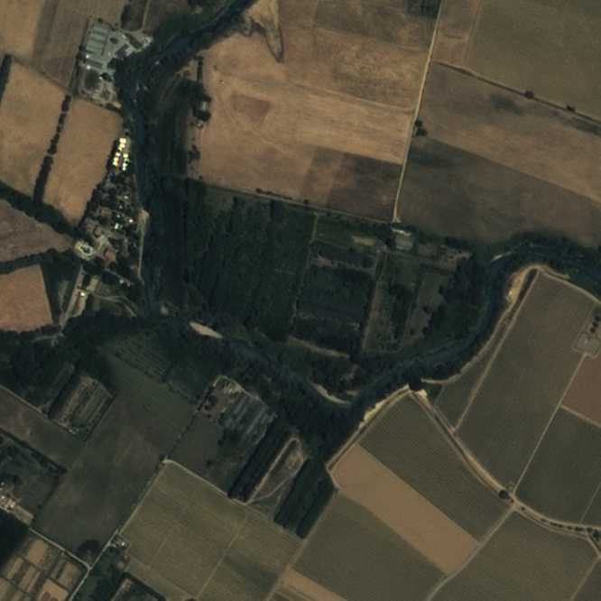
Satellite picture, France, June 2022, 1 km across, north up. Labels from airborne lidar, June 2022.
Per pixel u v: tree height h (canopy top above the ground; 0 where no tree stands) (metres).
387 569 0
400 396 0
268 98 0
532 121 0
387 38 0
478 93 0
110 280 20
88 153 0
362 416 12
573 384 0
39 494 0
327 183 0
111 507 0
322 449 14
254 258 8
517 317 0
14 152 0
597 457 0
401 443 0
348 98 0
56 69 0
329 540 0
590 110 0
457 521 0
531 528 0
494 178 0
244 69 0
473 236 0
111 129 0
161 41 7
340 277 21
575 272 7
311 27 0
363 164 0
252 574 0
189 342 24
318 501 11
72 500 0
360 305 7
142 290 23
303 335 18
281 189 0
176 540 0
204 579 0
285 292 10
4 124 0
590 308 0
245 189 0
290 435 15
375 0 0
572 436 0
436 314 13
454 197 0
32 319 0
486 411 0
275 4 0
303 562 0
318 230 0
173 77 9
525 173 0
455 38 0
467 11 0
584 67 0
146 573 0
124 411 0
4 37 0
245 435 0
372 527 0
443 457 0
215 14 6
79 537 0
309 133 0
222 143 0
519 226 0
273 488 0
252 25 0
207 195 9
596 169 0
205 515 0
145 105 21
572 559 0
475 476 0
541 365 0
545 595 0
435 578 0
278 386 21
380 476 0
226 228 8
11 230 0
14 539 13
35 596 0
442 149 0
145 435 0
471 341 0
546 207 0
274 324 12
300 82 0
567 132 0
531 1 0
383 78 0
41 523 0
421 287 6
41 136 0
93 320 17
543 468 0
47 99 0
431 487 0
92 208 12
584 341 0
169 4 0
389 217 0
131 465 0
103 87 0
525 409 0
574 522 0
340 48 0
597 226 0
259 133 0
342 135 0
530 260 5
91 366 12
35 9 0
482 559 0
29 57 0
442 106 0
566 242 11
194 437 0
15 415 0
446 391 0
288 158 0
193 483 0
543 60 0
